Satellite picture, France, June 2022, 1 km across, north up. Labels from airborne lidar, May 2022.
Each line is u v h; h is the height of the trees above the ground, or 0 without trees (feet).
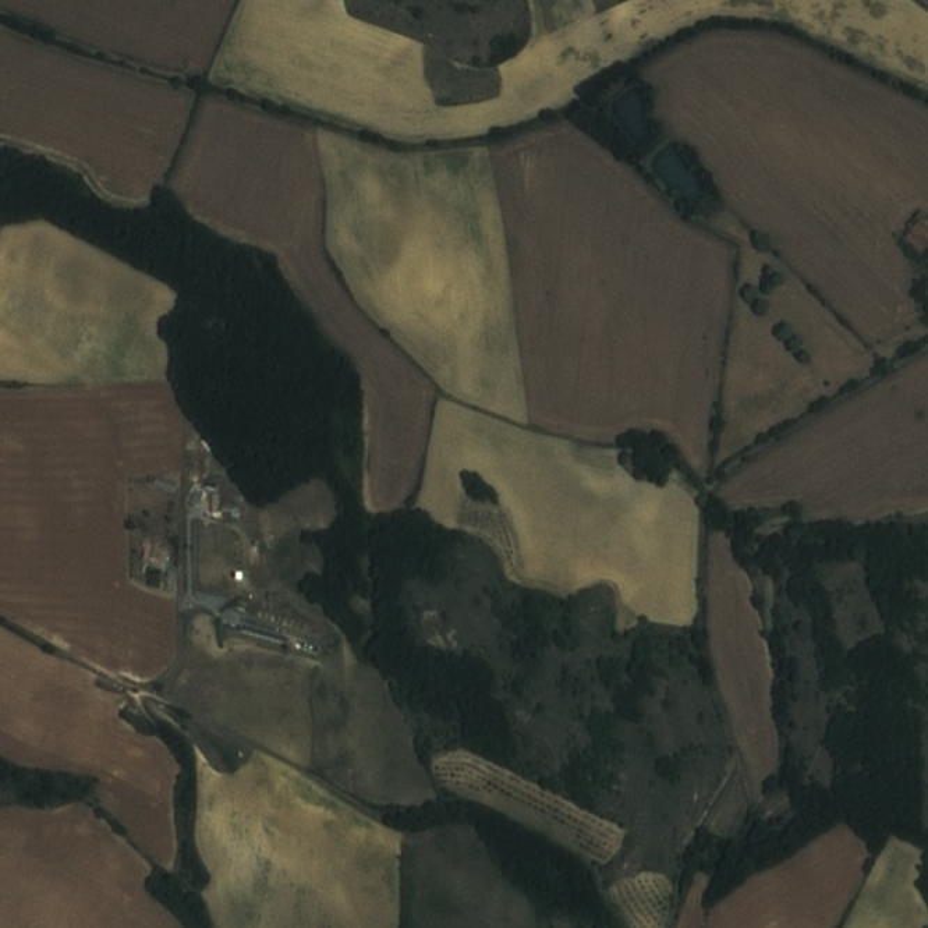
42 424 0
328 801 0
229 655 0
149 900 0
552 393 0
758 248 51
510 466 0
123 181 0
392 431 0
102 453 0
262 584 0
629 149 93
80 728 0
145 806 0
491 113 0
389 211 0
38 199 56
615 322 0
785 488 0
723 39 0
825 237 0
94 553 0
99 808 26
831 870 0
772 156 0
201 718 0
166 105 0
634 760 0
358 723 0
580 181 0
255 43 0
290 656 0
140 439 0
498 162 0
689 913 0
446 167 0
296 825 0
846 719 32
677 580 0
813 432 0
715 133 0
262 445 40
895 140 0
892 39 0
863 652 50
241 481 52
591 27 0
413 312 0
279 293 66
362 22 0
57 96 0
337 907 0
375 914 0
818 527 48
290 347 71
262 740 0
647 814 0
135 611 0
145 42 0
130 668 0
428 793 0
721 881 42
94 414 0
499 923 0
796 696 24
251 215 0
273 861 0
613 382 0
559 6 0
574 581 0
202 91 78
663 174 0
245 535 0
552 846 31
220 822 0
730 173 0
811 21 0
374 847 0
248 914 0
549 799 0
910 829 38
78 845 0
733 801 0
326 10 0
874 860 27
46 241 0
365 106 0
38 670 0
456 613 0
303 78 0
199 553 0
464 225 0
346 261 0
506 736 40
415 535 63
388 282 0
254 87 0
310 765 0
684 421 0
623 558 0
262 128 0
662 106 0
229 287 42
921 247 0
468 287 0
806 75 0
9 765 53
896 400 0
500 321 0
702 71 0
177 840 0
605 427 0
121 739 0
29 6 0
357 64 0
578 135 0
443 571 25
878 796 43
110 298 0
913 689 33
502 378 0
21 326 0
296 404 53
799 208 0
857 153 0
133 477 0
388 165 0
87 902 0
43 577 0
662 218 0
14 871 0
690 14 0
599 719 39
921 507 0
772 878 0
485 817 50
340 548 51
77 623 0
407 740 0
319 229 0
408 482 0
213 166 0
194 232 52
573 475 0
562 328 0
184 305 34
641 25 0
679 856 19
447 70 0
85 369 0
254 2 0
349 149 0
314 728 0
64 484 0
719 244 0
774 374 0
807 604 34
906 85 49
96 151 0
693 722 0
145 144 0
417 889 0
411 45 0
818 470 0
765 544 28
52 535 0
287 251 0
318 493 0
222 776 0
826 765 0
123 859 0
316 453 38
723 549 0
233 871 0
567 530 0
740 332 0
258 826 0
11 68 0
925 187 0
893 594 40
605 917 39
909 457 0
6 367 0
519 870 30
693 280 0
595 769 32
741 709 0
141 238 64
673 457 46
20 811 0
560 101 0
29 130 0
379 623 50
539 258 0
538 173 0
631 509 0
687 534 0
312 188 0
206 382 63
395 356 0
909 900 0
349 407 31
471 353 0
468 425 0
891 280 0
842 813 49
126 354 0
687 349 0
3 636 0
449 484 0
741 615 0
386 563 66
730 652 0
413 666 44
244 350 61
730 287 0
